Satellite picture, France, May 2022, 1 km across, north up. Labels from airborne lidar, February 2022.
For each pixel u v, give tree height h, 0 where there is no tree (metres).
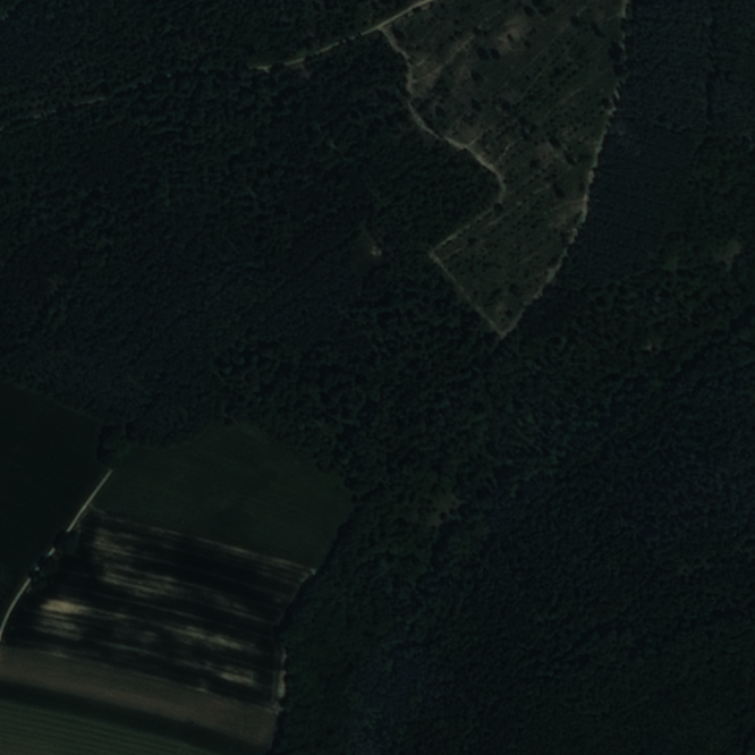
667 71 23
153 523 0
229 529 0
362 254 0
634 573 12
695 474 29
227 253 17
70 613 0
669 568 8
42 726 0
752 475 24
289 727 27
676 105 25
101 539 0
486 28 0
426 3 0
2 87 10
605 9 0
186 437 16
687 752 10
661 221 10
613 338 33
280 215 27
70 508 0
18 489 0
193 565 0
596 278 13
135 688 0
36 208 8
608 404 14
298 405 29
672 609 8
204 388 19
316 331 16
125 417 17
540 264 0
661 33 17
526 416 33
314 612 30
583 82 0
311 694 21
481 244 0
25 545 0
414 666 25
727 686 12
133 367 20
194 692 0
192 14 11
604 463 10
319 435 27
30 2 12
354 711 28
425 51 0
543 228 0
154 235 16
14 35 20
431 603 26
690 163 12
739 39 21
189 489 0
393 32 0
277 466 0
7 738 0
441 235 10
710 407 19
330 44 0
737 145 14
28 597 0
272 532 0
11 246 12
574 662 17
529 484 30
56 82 12
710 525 17
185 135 28
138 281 15
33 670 0
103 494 0
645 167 15
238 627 0
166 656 0
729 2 21
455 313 14
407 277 7
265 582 0
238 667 0
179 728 0
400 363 7
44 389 15
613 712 11
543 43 0
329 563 14
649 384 30
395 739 14
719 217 18
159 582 0
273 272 15
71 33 15
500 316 0
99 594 0
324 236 17
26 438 0
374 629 19
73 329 18
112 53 10
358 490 17
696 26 21
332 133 18
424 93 0
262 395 28
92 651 0
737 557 7
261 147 17
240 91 26
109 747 0
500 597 10
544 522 8
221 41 9
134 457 0
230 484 0
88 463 0
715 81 24
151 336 18
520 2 0
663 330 13
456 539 30
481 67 0
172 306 17
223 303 17
